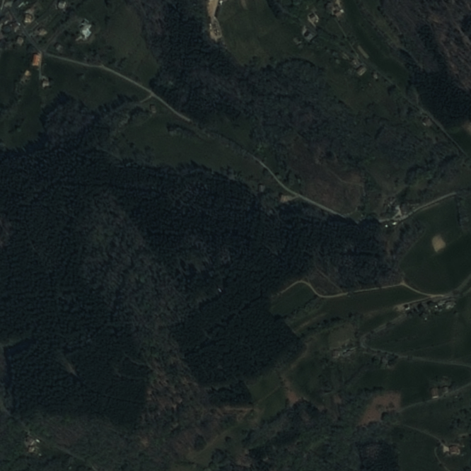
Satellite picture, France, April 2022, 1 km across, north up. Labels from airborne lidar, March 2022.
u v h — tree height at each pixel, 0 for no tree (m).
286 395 0
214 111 32
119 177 21
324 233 29
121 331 21
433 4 26
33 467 26
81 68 0
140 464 23
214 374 36
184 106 29
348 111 19
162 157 0
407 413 0
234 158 0
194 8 24
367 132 0
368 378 0
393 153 21
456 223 0
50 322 28
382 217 9
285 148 29
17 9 6
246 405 29
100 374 27
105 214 19
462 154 12
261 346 29
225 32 0
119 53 0
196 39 30
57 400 38
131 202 27
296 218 34
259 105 26
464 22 7
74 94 0
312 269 28
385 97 0
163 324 24
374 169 0
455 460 0
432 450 0
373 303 0
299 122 34
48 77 0
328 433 27
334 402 0
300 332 0
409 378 0
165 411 20
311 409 28
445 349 0
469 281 0
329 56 0
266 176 13
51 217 31
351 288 23
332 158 26
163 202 30
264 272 28
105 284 20
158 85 19
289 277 30
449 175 20
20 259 25
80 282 32
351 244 33
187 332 30
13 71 0
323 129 27
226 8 0
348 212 0
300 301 0
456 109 28
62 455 0
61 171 28
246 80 30
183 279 23
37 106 0
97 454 22
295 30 0
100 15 0
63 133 30
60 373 36
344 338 0
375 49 0
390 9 23
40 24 0
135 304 29
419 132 0
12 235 27
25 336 33
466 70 32
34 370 40
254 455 16
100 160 33
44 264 28
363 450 30
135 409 18
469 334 0
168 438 21
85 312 23
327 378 0
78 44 0
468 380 0
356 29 0
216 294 12
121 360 27
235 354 36
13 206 27
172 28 29
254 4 0
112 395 18
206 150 0
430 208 0
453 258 0
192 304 31
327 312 0
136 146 6
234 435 0
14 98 0
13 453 22
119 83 0
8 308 37
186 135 21
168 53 31
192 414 30
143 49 0
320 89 31
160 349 19
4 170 28
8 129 0
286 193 0
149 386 12
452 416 0
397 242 0
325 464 22
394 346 0
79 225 32
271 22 0
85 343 22
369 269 31
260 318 29
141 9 21
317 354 6
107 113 8
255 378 32
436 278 0
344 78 0
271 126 26
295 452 26
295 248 35
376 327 0
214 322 25
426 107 15
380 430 21
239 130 20
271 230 24
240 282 31
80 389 42
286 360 28
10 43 12
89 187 30
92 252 27
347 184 0
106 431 26
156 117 0
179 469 0
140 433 29
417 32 30
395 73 0
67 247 37
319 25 0
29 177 31
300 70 20
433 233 0
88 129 26
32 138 0
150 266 21
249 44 0
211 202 28
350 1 0
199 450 27
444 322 0
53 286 27
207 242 29
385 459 30
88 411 19
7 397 5
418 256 0
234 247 26
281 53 0
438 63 23
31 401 43
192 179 27
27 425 26
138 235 23
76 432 31
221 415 27
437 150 21
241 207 21
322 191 0
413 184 16
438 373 0
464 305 0
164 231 27
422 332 0
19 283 25
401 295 0
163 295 26
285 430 23
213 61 36
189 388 21
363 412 21
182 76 24
